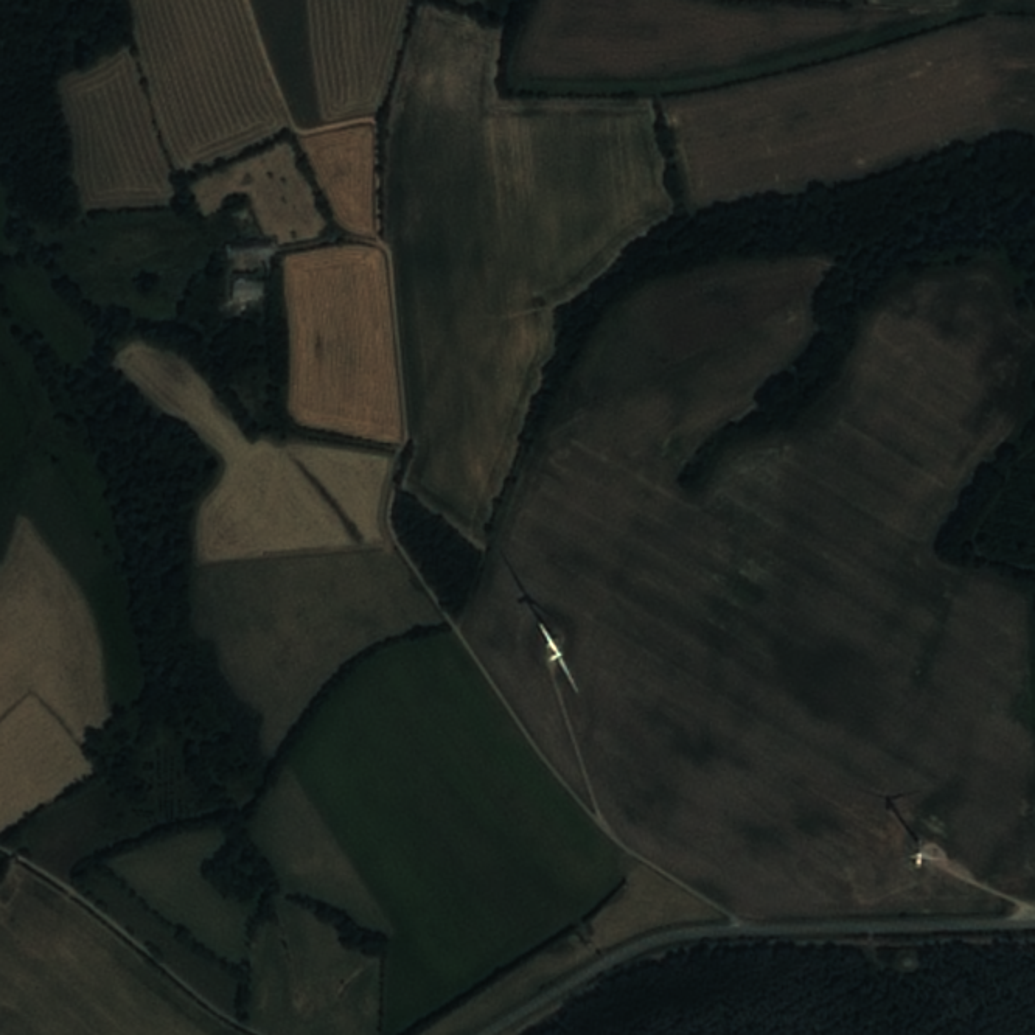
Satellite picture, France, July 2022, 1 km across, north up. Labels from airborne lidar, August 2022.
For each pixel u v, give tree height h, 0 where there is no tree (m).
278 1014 0
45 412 0
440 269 0
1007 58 0
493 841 0
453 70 0
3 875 13
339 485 0
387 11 0
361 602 0
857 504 0
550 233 0
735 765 0
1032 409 0
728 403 0
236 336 10
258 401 0
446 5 13
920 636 0
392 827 0
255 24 0
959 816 0
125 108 0
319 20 0
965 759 0
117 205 0
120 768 12
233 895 18
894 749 0
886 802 0
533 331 0
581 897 0
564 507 0
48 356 16
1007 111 0
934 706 0
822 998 16
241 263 0
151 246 0
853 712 0
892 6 0
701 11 0
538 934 0
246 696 0
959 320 0
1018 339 0
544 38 0
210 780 8
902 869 0
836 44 0
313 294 0
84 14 25
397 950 0
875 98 0
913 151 0
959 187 24
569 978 0
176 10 0
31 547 0
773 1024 16
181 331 22
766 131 0
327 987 0
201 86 0
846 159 0
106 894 0
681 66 0
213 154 0
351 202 0
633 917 0
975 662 0
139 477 13
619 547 0
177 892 0
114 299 0
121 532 12
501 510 11
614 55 0
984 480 16
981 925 0
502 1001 0
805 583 0
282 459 0
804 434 0
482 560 9
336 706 0
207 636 0
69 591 0
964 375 0
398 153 0
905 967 0
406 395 0
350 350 0
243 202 7
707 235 18
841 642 0
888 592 0
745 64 0
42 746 0
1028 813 0
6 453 0
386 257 0
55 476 0
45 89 12
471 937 0
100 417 19
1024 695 0
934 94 0
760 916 0
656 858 0
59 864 0
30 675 0
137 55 9
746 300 0
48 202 18
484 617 0
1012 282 0
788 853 0
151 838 11
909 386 0
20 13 17
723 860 0
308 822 0
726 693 0
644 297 0
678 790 0
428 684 0
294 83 0
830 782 0
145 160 0
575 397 0
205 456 22
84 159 0
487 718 0
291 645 0
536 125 0
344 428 0
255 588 0
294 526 0
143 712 7
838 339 22
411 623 0
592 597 0
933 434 0
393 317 0
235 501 0
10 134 21
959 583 0
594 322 15
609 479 0
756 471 0
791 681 0
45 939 0
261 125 0
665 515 0
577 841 0
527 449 6
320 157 0
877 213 15
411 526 14
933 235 19
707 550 0
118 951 0
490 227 0
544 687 0
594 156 0
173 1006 0
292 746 12
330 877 0
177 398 0
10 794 0
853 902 0
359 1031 0
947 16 0
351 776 0
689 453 0
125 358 0
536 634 0
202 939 0
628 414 0
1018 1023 16
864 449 0
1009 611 0
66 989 0
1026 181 20
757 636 0
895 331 0
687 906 0
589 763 0
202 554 0
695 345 0
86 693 0
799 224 23
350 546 0
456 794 0
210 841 0
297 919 0
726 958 16
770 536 0
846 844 0
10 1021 0
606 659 0
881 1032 15
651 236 11
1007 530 7
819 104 0
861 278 12
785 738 0
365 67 0
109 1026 0
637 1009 16
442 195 0
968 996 17
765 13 0
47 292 0
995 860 0
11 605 0
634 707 0
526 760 0
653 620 0
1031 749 0
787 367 0
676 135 0
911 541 0
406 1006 0
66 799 9
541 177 0
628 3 0
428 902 0
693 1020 19
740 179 0
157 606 18
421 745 0
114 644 0
